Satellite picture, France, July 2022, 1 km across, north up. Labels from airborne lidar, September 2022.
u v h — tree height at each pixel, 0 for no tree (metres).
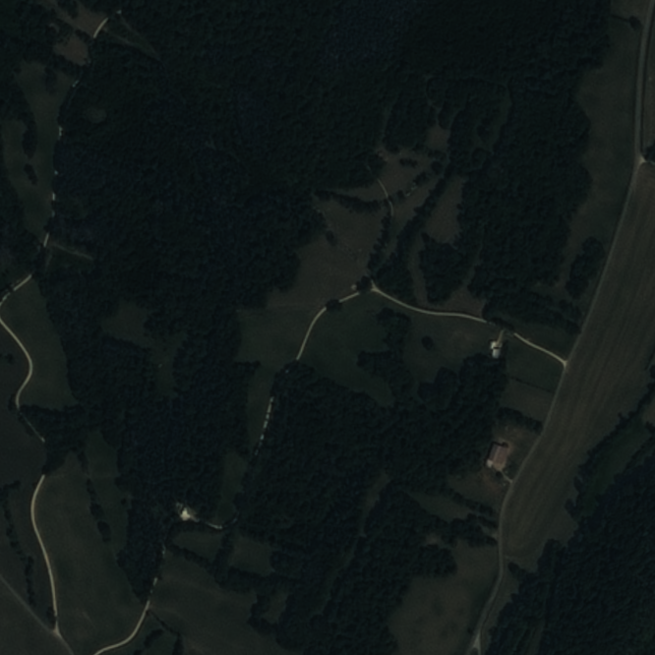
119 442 16
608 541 21
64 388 0
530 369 0
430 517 15
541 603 22
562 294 0
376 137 13
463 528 12
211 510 15
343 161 15
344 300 0
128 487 18
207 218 14
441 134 0
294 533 13
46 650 0
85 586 0
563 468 0
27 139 15
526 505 0
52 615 13
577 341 0
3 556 0
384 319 16
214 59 25
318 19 20
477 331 0
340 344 0
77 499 0
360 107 17
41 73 0
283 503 19
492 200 12
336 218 0
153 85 15
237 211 18
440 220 0
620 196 0
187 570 0
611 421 0
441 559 12
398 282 15
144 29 22
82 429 23
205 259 27
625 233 0
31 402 0
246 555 0
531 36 13
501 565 0
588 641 27
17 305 0
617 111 0
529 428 10
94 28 0
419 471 16
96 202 14
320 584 27
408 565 10
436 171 18
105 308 22
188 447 15
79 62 0
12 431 0
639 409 9
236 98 24
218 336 17
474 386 21
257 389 0
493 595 0
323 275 0
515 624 20
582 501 9
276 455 17
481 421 16
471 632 11
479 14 10
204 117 15
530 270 14
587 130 17
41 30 14
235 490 0
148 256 11
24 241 10
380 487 0
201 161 23
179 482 21
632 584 27
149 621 0
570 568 19
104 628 0
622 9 0
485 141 17
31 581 11
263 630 21
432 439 12
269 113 28
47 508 0
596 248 17
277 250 23
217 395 23
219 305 25
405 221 0
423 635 0
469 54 10
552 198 19
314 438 21
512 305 18
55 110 0
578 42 21
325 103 20
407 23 9
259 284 18
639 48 0
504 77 18
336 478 24
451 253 25
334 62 24
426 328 0
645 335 0
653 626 11
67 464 0
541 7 12
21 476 0
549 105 14
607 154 0
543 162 17
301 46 17
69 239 17
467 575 0
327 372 0
